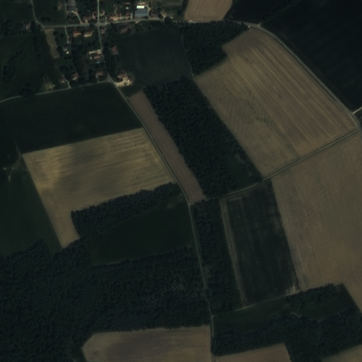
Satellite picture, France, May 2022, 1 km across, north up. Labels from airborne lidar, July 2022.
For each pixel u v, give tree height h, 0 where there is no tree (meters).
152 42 0
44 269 13
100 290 17
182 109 23
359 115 0
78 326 18
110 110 0
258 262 0
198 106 21
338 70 0
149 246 0
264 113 0
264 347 9
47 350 27
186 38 14
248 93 0
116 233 0
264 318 0
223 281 17
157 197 22
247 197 0
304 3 0
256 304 0
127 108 0
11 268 21
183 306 30
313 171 0
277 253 0
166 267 23
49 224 0
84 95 0
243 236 0
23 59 0
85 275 23
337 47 0
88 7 11
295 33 0
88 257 20
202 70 20
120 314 29
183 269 14
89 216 24
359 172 0
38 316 25
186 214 0
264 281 0
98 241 0
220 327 0
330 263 0
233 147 23
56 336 22
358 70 0
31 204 0
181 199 0
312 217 0
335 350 27
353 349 0
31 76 0
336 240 0
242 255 0
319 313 0
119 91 0
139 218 0
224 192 21
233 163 14
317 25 0
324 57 0
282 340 22
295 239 0
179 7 0
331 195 0
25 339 23
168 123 27
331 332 25
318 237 0
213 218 11
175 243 0
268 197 0
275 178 0
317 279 0
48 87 0
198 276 17
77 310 27
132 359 0
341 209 0
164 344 0
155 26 27
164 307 22
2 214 0
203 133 22
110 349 0
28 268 24
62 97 0
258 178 17
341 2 0
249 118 0
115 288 10
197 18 0
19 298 25
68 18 7
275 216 0
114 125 0
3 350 8
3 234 0
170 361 0
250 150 0
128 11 0
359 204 0
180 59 0
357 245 0
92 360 0
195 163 26
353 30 0
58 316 22
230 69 0
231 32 14
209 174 17
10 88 0
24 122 0
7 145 0
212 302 20
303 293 16
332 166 0
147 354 0
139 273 13
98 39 8
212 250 25
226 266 12
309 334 30
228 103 0
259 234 0
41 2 0
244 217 0
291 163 0
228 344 23
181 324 20
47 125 0
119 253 0
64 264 22
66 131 0
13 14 0
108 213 13
